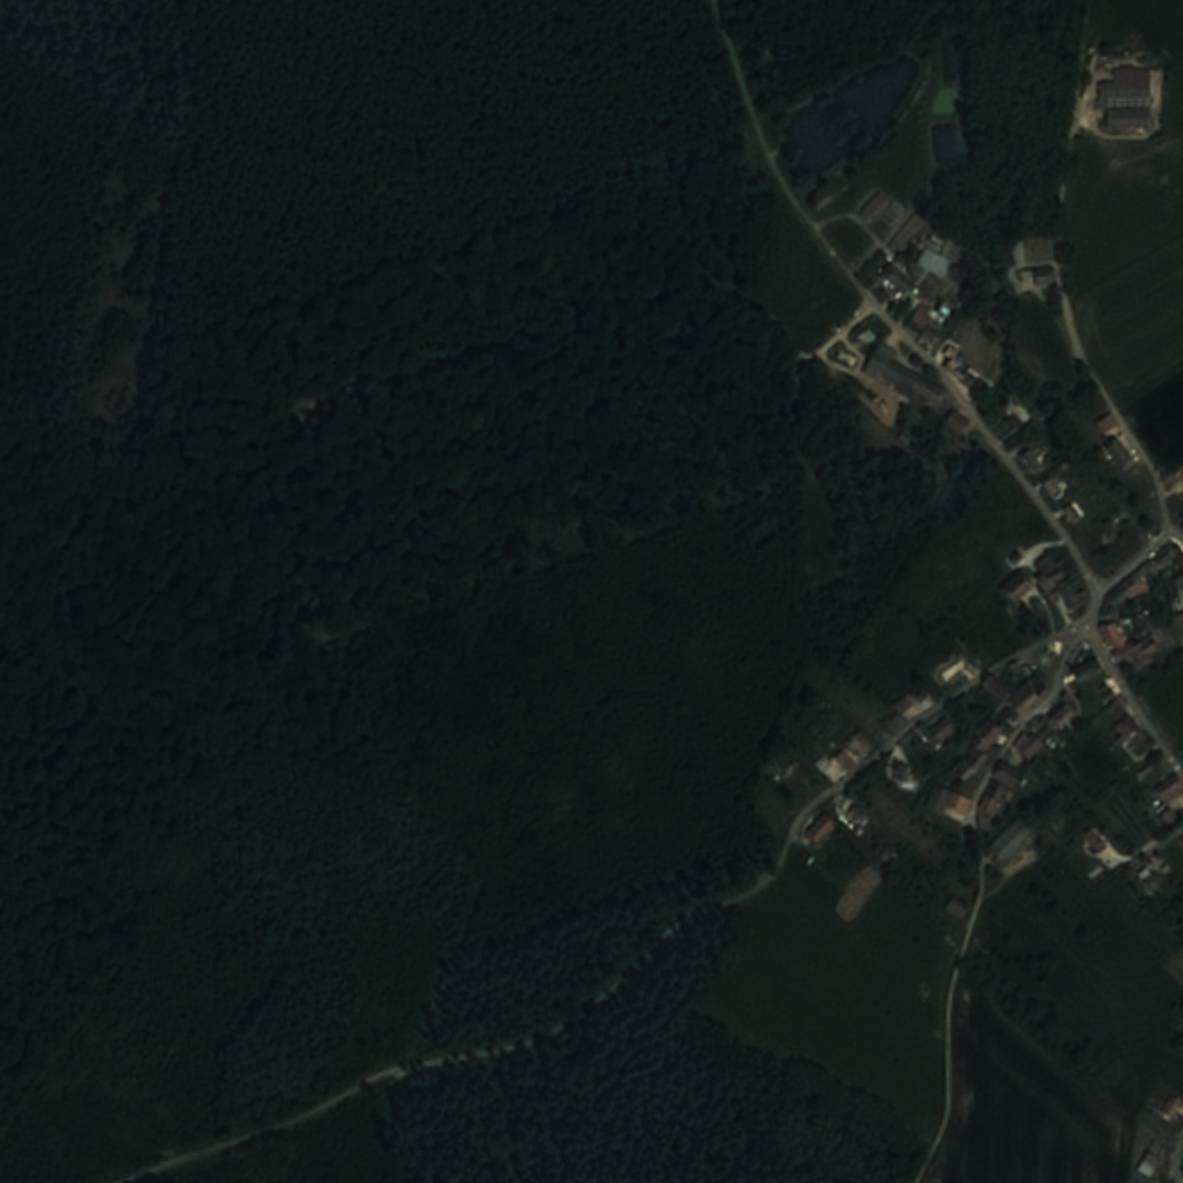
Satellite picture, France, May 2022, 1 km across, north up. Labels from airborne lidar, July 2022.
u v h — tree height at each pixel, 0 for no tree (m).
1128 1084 0
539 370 31
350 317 32
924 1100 0
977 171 27
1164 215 0
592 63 21
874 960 0
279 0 20
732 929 15
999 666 0
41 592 30
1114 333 0
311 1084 19
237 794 22
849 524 23
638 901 28
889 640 0
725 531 11
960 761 8
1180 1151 0
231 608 29
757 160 0
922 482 19
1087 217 0
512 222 24
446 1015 27
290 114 19
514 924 15
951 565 0
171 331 22
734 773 9
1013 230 23
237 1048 18
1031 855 0
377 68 20
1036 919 0
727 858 9
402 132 17
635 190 23
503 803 8
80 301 34
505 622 11
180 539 30
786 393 29
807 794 0
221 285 21
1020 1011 8
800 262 0
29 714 24
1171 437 0
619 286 28
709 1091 31
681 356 30
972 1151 0
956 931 0
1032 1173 0
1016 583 0
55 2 33
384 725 9
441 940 6
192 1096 8
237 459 30
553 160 21
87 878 28
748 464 27
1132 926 0
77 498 25
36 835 19
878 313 0
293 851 21
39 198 19
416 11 20
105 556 29
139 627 30
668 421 27
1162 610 5
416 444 29
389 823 22
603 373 30
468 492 29
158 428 28
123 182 10
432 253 24
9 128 21
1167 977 0
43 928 16
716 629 9
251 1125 21
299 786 17
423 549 30
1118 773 0
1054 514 0
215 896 7
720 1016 0
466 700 9
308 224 21
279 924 16
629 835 11
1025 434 15
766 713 11
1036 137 25
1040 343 0
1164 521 0
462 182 20
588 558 8
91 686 29
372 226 21
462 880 17
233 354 31
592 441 32
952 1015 0
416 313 30
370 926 15
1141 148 0
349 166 20
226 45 18
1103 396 0
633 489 26
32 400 25
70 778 23
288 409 7
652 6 23
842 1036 0
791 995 0
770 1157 27
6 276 18
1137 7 0
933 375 9
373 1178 7
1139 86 0
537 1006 29
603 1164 32
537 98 22
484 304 26
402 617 11
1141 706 0
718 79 22
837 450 25
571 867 12
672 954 30
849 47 23
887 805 0
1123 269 0
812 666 9
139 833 26
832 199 0
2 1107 21
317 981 22
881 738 0
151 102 22
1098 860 0
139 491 29
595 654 10
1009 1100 0
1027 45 24
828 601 21
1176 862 0
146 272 18
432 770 12
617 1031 37
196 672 29
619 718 15
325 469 31
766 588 12
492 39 20
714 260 24
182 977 6
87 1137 6
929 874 9
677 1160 22
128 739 29
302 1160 5
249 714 28
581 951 27
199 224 20
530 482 29
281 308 29
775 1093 27
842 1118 22
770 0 29
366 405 31
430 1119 33
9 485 29
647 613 11
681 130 18
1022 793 0
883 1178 23
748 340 32
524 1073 30
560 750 11
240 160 19
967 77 20
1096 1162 0
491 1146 31
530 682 10
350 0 20
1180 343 0
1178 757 0
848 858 0
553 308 22
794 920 0
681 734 15
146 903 26
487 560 7
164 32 28
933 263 0
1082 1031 0
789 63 34
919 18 23
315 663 27
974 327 0
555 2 22
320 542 31
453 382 30
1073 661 0
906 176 0
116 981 8
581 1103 32
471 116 21
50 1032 21
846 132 20
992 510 0
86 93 34
